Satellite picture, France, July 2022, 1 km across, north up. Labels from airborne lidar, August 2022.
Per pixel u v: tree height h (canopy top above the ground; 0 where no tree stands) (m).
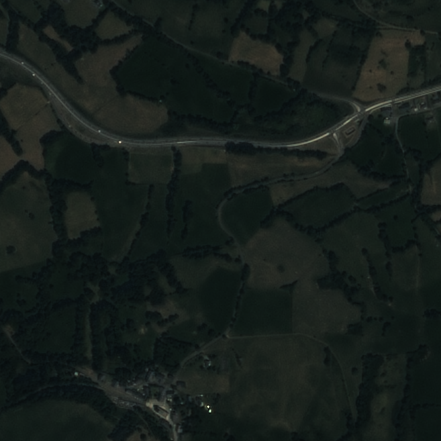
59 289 0
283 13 24
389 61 0
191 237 0
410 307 0
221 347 0
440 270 0
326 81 0
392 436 0
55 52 8
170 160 0
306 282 0
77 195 0
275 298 0
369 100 0
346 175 0
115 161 0
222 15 0
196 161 0
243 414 0
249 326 0
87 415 0
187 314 0
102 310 23
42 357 16
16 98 0
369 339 0
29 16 0
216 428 0
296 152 13
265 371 0
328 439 0
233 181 0
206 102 0
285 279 0
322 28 0
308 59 12
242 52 0
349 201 0
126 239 0
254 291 0
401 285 0
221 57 10
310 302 0
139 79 0
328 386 0
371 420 0
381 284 0
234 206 0
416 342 0
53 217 14
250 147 27
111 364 0
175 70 0
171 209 16
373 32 10
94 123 0
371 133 0
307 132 0
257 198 0
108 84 0
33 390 16
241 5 0
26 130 0
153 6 0
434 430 0
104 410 15
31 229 0
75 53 22
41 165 0
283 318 0
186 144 0
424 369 0
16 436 0
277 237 0
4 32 0
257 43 0
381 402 0
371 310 0
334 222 12
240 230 0
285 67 17
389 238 16
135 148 0
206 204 0
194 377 0
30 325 23
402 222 0
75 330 6
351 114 0
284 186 0
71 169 0
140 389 0
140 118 0
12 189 0
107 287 16
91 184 9
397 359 0
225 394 0
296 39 11
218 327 0
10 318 26
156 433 6
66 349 0
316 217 0
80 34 15
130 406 0
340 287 14
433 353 0
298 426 0
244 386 0
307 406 0
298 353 0
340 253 0
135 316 0
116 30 0
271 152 9
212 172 0
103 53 0
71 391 22
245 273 16
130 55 13
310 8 16
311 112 0
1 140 0
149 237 0
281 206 11
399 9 0
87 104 0
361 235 0
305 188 0
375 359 7
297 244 0
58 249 24
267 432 0
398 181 14
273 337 0
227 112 0
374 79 0
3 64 0
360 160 0
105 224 0
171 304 0
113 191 0
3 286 0
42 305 13
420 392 0
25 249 0
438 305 0
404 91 7
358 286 6
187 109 0
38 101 0
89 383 14
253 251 0
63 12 12
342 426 0
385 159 0
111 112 0
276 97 0
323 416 0
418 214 13
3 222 0
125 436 18
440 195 0
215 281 0
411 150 13
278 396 0
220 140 0
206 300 0
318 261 0
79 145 0
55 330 0
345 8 0
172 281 19
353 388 0
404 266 0
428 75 0
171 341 6
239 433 0
